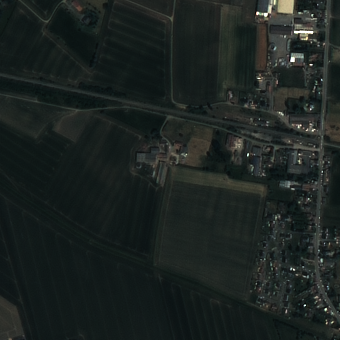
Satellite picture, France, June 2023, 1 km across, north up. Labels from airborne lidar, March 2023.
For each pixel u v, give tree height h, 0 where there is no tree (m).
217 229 0
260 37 0
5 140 0
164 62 0
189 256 0
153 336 0
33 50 0
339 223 0
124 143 0
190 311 0
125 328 0
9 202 0
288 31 0
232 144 0
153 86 0
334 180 0
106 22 0
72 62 0
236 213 0
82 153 0
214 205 0
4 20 0
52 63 0
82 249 0
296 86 0
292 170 0
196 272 0
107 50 0
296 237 0
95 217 0
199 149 0
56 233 0
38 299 0
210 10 0
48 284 0
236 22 0
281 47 0
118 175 0
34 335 0
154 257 0
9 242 0
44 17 0
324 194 0
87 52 0
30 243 0
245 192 0
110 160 0
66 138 0
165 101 0
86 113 0
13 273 0
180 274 0
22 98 0
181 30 0
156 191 0
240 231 0
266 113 0
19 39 0
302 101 16
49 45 0
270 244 0
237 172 0
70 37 0
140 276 0
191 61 0
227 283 0
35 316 0
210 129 0
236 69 0
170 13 0
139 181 0
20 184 0
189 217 0
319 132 0
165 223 0
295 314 9
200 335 0
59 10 0
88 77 0
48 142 0
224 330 0
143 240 0
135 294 0
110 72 0
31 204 0
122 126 0
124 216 0
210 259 0
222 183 0
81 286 0
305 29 0
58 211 0
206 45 0
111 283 0
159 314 0
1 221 0
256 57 0
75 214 0
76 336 0
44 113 0
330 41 0
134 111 0
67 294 0
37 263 0
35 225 0
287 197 0
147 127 0
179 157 0
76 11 0
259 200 0
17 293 0
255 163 0
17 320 0
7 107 0
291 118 0
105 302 0
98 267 0
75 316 0
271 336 0
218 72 0
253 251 0
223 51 0
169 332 0
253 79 0
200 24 0
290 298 0
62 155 0
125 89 0
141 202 0
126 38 0
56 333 0
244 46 0
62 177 0
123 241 0
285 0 0
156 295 0
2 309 0
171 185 0
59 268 0
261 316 0
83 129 0
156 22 0
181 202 0
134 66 0
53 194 0
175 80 0
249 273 0
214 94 0
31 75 0
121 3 0
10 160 0
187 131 0
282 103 0
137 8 0
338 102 0
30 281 0
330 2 0
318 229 0
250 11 0
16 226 0
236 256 0
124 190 0
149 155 0
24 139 0
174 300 0
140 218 0
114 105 0
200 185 0
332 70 0
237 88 0
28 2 0
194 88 0
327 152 0
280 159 0
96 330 0
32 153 0
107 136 0
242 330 0
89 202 0
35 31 0
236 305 0
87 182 0
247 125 0
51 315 0
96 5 0
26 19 0
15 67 0
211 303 0
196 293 0
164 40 0
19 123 0
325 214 0
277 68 0
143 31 0
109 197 0
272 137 0
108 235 0
